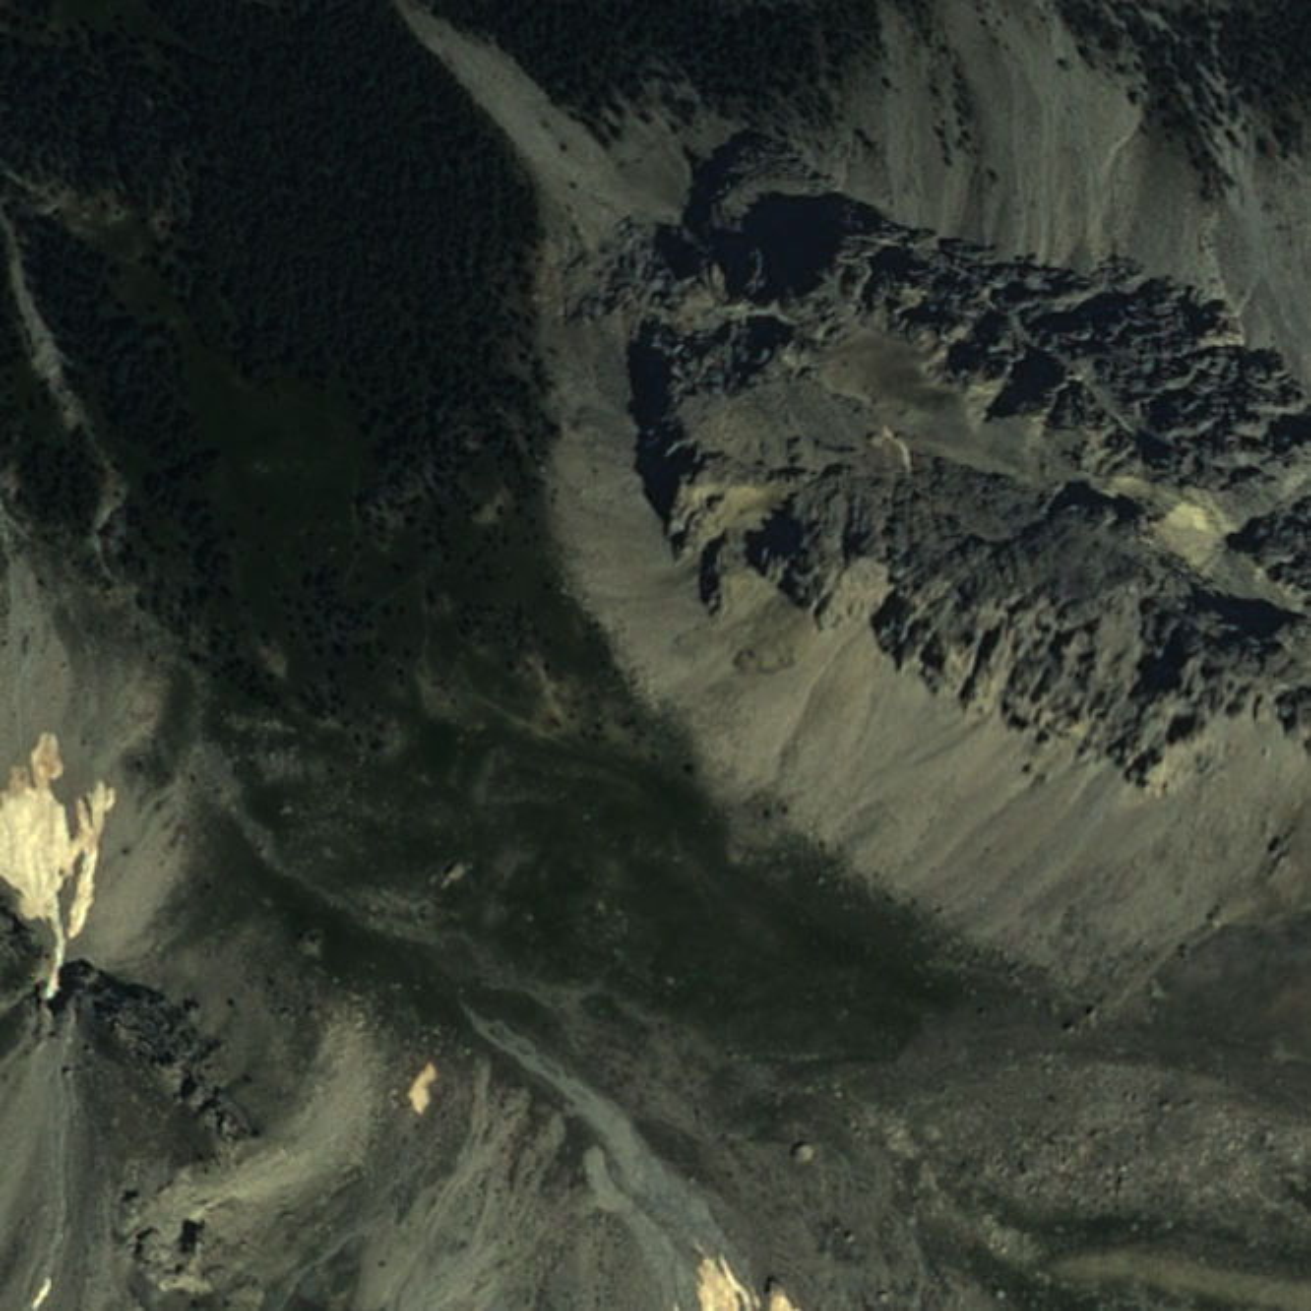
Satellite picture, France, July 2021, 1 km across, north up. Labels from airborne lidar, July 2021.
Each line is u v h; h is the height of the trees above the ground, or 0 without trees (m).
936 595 0
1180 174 0
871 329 0
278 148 16
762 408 0
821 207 0
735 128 0
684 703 0
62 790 0
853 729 0
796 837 0
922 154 0
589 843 0
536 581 0
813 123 7
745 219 0
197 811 0
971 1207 0
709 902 0
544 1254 0
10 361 15
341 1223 0
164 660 0
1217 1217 0
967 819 0
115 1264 0
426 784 0
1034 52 0
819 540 0
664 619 0
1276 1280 0
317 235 17
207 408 0
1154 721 0
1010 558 0
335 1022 0
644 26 10
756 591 0
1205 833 0
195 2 21
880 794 0
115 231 0
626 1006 0
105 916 0
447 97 18
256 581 0
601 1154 0
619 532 0
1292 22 8
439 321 10
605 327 0
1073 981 0
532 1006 0
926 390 0
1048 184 0
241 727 0
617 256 0
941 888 0
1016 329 0
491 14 8
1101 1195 0
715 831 0
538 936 0
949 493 0
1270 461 0
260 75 18
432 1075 0
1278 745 0
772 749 0
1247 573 0
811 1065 0
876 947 0
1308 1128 0
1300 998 0
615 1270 0
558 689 0
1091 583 0
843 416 0
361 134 18
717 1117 0
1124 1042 0
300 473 0
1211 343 0
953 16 0
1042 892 0
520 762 0
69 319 17
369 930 0
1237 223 0
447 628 0
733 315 0
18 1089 0
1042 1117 0
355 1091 0
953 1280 0
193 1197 0
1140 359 0
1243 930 0
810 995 0
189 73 19
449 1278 0
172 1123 0
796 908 0
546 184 0
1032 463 0
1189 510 0
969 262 0
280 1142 0
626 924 0
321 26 16
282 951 0
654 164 0
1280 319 0
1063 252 0
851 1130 0
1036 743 0
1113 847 0
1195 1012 0
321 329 16
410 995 0
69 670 0
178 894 0
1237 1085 0
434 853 0
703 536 0
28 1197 0
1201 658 0
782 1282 0
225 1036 0
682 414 0
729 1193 0
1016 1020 0
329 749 0
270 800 0
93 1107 0
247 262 10
